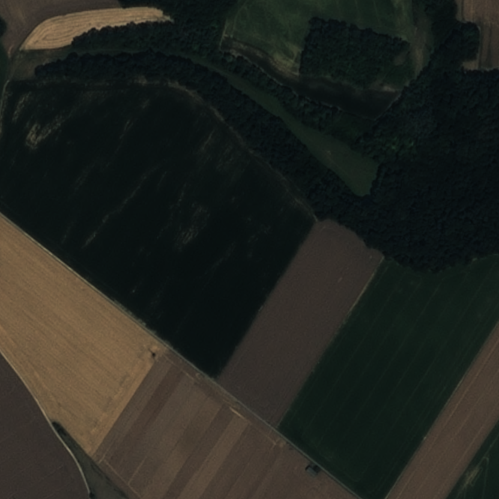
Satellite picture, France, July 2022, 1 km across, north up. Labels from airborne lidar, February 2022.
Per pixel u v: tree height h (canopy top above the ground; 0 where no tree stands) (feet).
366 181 0
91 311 0
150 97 0
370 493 0
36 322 0
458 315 0
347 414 0
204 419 0
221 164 0
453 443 0
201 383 0
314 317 0
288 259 0
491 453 0
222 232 0
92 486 0
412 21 0
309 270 0
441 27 27
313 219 0
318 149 0
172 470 0
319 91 0
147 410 0
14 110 0
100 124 0
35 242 0
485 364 0
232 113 63
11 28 0
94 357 0
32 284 0
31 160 0
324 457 0
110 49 0
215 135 0
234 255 0
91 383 0
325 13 0
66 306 0
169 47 74
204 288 0
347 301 0
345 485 0
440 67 79
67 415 0
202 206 0
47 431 0
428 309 0
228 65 64
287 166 62
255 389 0
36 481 0
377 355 0
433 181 81
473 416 0
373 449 0
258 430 0
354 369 0
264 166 0
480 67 0
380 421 0
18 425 0
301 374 0
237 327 0
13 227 0
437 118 72
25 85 0
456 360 0
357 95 0
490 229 78
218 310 0
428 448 0
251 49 0
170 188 0
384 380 0
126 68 62
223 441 0
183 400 0
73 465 0
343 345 0
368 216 72
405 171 91
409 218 81
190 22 57
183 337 0
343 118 17
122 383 0
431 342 0
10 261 0
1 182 0
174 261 0
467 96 90
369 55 47
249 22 0
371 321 0
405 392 0
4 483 0
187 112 0
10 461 0
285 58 0
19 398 0
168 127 0
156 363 0
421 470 0
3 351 0
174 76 63
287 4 0
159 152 0
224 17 50
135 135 0
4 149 0
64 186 0
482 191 84
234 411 0
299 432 0
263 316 0
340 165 0
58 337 0
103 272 0
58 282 0
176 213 0
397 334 0
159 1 59
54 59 0
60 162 0
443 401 0
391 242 73
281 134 61
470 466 0
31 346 0
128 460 0
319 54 62
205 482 0
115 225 0
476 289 0
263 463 0
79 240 0
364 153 29
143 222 0
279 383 0
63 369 0
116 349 0
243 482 0
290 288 0
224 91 55
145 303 0
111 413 0
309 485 0
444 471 0
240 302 0
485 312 0
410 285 0
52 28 0
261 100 0
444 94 97
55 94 0
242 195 0
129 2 63
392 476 0
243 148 0
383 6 0
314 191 61
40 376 0
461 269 0
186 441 0
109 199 0
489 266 0
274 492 0
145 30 62
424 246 82
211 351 0
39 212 0
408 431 0
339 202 70
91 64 75
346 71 47
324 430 0
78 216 0
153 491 0
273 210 0
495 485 0
